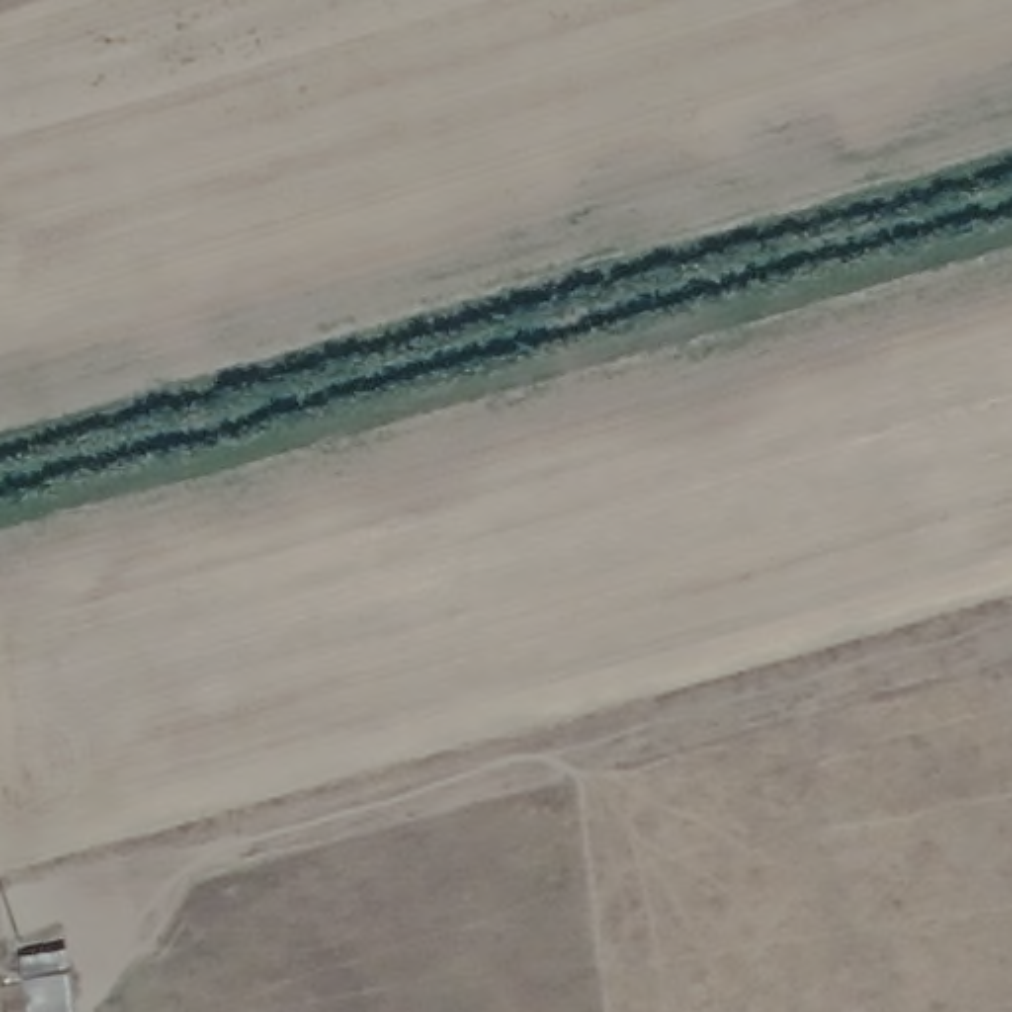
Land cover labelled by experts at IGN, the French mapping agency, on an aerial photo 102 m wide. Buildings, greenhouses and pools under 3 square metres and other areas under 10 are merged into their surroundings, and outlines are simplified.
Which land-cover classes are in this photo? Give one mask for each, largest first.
<instances>
[{"label":"agricultural land","instance_id":"1","mask_svg":"<svg viewBox=\"0 0 1012 1012\"><path fill-rule=\"evenodd\" d=\"M1012 154V0H0V435L71 419L99 407H119L146 391H174L190 380L217 376L225 368L269 364L328 340L372 336L411 316H435L514 289L561 281L573 269L633 261L652 249L688 245L739 225L806 213L842 198H874L889 186H909L953 166ZM0 1012H1012V245L929 273H909L842 296H826L791 312H767L735 328L700 332L672 348L577 368L549 383L510 387L470 403L395 419L360 435H336L300 451L265 455L206 478L166 482L0 530Z\"/></svg>","mask_w":1012,"mask_h":1012},{"label":"herbaceous vegetation","instance_id":"2","mask_svg":"<svg viewBox=\"0 0 1012 1012\"><path fill-rule=\"evenodd\" d=\"M1012 174V154L953 166L909 186H889L874 198H842L806 213L739 225L688 245L652 249L633 261L573 269L561 281L514 289L435 316H411L372 336L328 340L269 364L225 368L217 376L190 380L174 391H146L119 407H99L71 419L0 435V459H16L87 431L123 427L154 411L217 403L229 387L273 383L348 356L391 352L419 336L459 332L466 324L510 316L546 300H565L577 289H613L629 277L664 265H696L739 245L775 241L787 233H818L834 221L874 213H897L921 202H937L941 194L1004 182ZM1012 245V217L972 221L965 229L897 241L850 261L806 265L787 277L704 296L672 312H644L636 320L609 324L569 344H542L526 356H498L490 364L435 372L415 383L336 399L304 415L269 419L257 431L217 439L210 447H178L115 463L107 470L63 474L40 490H24L0 502V530L166 482L206 478L265 455L300 451L336 435H360L395 419L470 403L510 387L549 383L577 368L672 348L700 332L735 328L767 312H791L826 296H842L909 273H929Z\"/></svg>","mask_w":1012,"mask_h":1012},{"label":"deciduous trees","instance_id":"3","mask_svg":"<svg viewBox=\"0 0 1012 1012\"><path fill-rule=\"evenodd\" d=\"M1012 217V174L1004 182L941 194L937 202H921L897 213H874L834 221L818 233H787L775 241L739 245L696 265H664L629 277L613 289H577L565 300H546L510 316L466 324L459 332L419 336L391 352L348 356L273 383L229 387L217 403L154 411L123 427L87 431L16 459H0V502L24 490H40L63 474L107 470L115 463L178 447H210L217 439L257 431L269 419L304 415L336 399L415 383L435 372L490 364L498 356H526L542 344H569L609 324L636 320L644 312H672L704 296L787 277L806 265L850 261L897 241L965 229L972 221Z\"/></svg>","mask_w":1012,"mask_h":1012}]
</instances>
